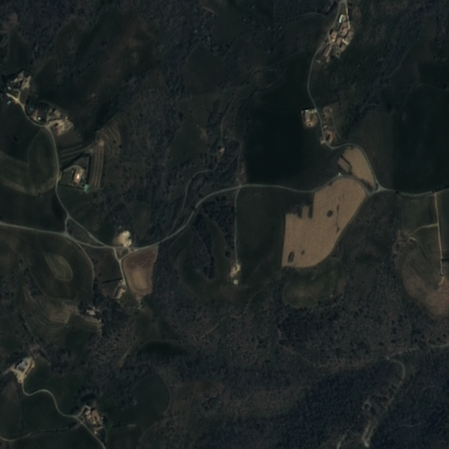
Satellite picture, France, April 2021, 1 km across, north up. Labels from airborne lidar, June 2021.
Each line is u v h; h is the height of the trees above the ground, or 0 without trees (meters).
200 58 0
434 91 0
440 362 19
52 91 0
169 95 15
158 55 6
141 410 0
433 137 0
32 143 0
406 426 16
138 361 7
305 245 0
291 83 0
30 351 12
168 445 7
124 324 11
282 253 0
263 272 0
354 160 0
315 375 15
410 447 13
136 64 0
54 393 0
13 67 0
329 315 7
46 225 0
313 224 0
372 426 6
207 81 0
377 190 0
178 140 0
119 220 8
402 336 6
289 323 12
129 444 0
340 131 0
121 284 0
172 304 6
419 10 8
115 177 0
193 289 0
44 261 0
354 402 9
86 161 0
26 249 0
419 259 0
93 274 0
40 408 0
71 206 0
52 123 0
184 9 21
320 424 12
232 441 14
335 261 0
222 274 0
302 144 0
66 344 0
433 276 0
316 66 0
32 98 10
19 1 17
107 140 0
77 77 0
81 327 0
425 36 0
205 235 10
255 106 0
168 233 0
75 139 0
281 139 0
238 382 8
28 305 0
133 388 0
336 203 0
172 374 7
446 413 12
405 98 0
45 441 0
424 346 13
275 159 0
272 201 0
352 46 0
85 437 0
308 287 0
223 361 15
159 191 19
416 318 8
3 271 0
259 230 0
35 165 0
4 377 10
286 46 0
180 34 15
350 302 8
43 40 11
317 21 0
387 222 0
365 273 0
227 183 0
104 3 15
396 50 18
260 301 0
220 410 15
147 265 0
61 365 11
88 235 0
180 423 8
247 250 0
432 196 0
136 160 8
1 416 0
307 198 0
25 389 0
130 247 0
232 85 0
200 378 6
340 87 8
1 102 0
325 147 0
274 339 16
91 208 0
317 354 6
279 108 0
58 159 0
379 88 8
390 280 6
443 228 0
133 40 0
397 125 0
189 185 0
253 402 10
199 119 0
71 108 0
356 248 0
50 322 0
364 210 0
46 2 16
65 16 11
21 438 0
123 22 0
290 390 8
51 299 0
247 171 0
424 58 0
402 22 19
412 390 20
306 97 0
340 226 0
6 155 0
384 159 0
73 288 0
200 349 10
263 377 11
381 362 12
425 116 0
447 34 7
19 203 0
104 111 0
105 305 10
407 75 0
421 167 0
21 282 0
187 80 0
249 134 0
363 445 7
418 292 0
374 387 8
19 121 0
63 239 0
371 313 8
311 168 0
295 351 11
